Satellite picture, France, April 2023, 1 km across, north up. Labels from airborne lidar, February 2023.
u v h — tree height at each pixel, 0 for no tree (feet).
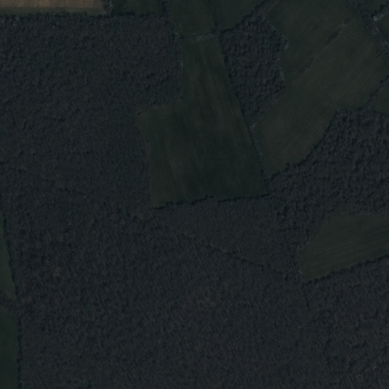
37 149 65
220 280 29
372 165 72
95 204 68
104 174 69
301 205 52
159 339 75
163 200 0
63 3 0
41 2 0
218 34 53
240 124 0
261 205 76
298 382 61
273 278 71
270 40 33
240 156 0
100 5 0
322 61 0
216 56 0
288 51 0
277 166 0
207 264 74
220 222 69
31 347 56
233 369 65
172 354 65
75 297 53
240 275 71
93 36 72
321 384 79
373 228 0
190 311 36
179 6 0
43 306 63
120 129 53
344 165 55
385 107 0
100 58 72
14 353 0
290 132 0
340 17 0
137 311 41
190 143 0
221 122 0
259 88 71
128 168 62
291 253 55
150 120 0
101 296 63
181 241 72
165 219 57
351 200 70
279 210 72
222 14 0
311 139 0
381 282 72
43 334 64
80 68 47
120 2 0
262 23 74
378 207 56
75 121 68
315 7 0
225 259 55
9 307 60
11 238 71
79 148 65
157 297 71
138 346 64
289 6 0
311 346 66
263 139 0
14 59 52
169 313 71
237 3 0
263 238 74
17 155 74
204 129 0
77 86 36
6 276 0
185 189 0
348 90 0
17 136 49
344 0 0
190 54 0
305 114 0
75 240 79
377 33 18
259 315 67
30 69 77
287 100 0
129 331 34
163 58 43
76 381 21
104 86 63
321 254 0
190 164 0
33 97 66
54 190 82
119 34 82
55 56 41
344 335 61
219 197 0
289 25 0
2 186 72
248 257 47
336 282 61
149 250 79
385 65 0
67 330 61
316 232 31
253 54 77
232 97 0
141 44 81
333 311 19
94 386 40
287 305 66
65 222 79
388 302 60
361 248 0
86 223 73
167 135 0
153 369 72
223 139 0
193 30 0
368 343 62
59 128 67
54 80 76
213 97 0
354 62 0
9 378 0
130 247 75
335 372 37
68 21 43
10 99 38
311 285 57
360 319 85
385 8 45
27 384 37
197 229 46
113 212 61
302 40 0
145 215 55
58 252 82
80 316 24
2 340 0
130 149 56
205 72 0
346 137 69
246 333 73
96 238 62
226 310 71
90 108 62
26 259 77
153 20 75
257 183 0
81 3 0
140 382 63
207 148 0
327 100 0
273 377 60
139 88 76
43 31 64
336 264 0
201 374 49
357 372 81
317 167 67
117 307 62
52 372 75
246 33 48
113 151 49
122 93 74
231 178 0
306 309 45
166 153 0
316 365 69
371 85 0
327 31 0
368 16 37
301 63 0
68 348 42
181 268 78
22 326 58
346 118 32
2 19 41
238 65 43
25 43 67
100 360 66
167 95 58
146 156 60
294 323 69
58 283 57
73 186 64
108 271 69
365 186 70
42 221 58
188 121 0
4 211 67
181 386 61
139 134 50
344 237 0
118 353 60
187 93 0
